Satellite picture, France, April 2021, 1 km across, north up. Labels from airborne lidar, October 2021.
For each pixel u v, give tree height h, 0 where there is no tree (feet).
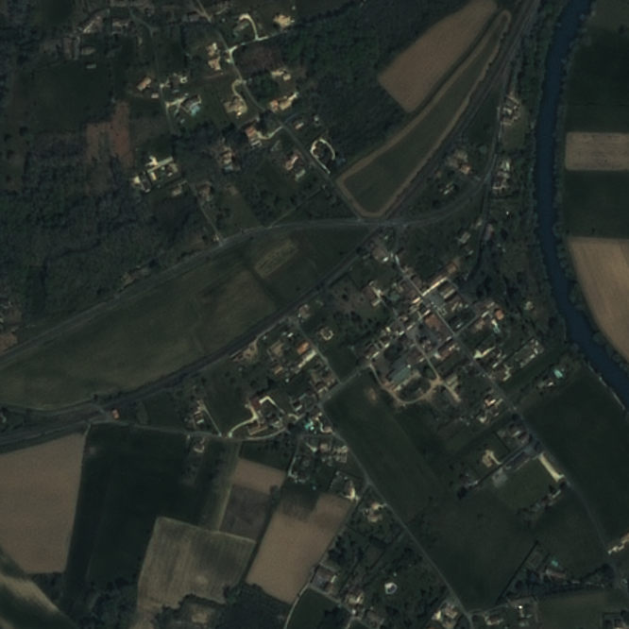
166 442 0
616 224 0
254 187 54
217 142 53
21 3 58
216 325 0
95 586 39
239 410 0
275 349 0
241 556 0
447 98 0
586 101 0
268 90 56
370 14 52
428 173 0
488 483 18
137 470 0
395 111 24
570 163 0
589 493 0
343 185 0
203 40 71
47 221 40
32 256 66
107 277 52
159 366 0
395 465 0
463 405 0
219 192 66
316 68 85
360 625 0
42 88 0
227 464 21
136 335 0
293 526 0
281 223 0
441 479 0
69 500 0
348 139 21
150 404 0
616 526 0
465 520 0
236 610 34
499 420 0
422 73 0
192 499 0
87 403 0
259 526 0
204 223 0
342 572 18
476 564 0
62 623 0
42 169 39
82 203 32
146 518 0
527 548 0
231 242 0
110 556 0
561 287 0
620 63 0
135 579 31
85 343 0
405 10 43
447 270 0
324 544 0
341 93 56
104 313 0
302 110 72
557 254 37
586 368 33
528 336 34
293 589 0
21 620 0
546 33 59
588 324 0
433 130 0
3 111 26
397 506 0
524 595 43
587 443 0
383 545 34
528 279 23
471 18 0
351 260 0
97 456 0
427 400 0
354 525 29
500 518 0
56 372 0
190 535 0
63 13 0
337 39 78
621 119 0
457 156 0
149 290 0
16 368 0
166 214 30
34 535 0
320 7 0
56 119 0
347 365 0
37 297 20
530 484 0
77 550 0
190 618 0
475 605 0
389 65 26
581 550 0
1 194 0
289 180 0
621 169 0
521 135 0
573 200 0
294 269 0
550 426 0
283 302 0
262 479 0
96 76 0
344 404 0
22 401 0
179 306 0
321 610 0
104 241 69
